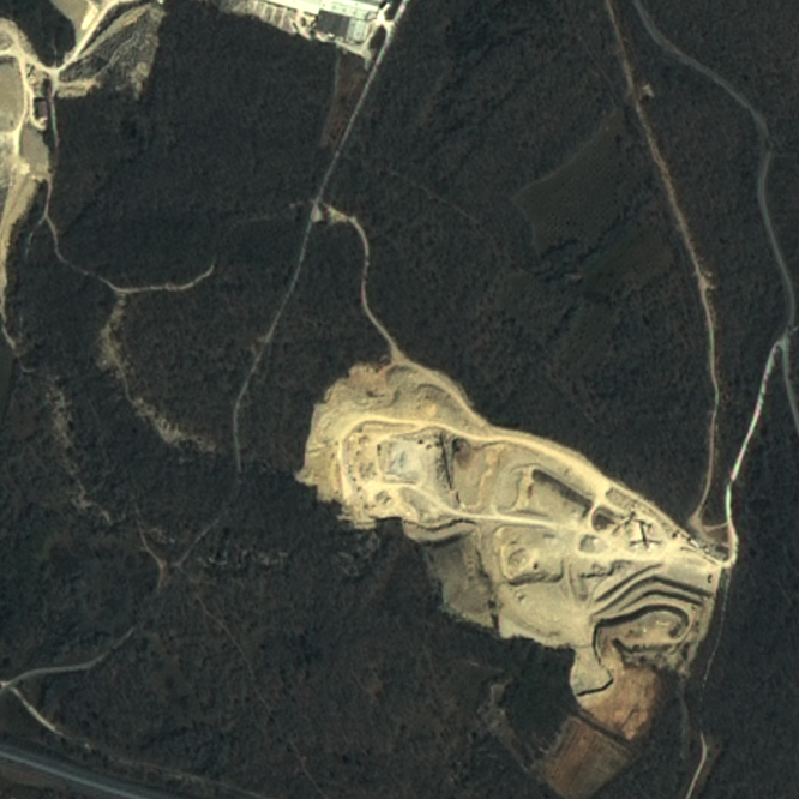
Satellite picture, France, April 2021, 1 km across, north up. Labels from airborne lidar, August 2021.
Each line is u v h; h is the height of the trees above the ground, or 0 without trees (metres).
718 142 13
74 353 11
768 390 6
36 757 0
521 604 0
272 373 9
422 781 6
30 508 9
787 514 12
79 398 16
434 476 0
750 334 8
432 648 12
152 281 7
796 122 11
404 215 9
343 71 0
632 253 0
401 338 12
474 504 0
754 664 15
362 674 13
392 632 14
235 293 11
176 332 7
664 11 11
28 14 13
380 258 10
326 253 12
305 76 11
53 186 9
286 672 12
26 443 9
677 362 8
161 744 12
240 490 10
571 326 13
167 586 10
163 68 8
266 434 14
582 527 0
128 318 8
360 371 0
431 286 10
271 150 15
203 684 10
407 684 14
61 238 9
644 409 11
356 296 13
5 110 0
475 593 0
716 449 11
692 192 13
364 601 9
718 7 7
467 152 8
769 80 9
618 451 13
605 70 11
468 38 7
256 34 11
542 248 0
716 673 11
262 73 13
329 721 13
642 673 0
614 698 0
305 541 6
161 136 11
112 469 12
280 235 14
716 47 7
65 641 7
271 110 12
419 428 0
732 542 0
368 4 0
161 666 0
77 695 12
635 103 0
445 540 0
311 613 8
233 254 13
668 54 10
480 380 13
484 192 15
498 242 13
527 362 10
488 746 13
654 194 11
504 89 11
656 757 10
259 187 12
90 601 10
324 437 0
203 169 12
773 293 8
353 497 0
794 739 12
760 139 18
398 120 12
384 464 0
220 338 9
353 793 12
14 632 16
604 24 11
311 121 12
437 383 0
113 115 17
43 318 14
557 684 17
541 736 12
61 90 0
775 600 15
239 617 9
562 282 14
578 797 0
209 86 14
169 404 9
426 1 8
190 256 15
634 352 14
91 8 0
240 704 7
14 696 0
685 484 13
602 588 0
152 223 15
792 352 10
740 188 12
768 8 11
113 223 10
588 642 0
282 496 14
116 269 7
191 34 8
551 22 7
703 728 15
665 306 10
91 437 11
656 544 0
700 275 0
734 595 8
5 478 9
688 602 0
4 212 0
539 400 9
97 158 14
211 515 11
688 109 14
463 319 13
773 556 13
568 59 5
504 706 11
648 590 0
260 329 12
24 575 17
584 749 0
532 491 0
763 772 11
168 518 10
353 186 11
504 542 0
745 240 12
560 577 0
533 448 0
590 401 8
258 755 9
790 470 10
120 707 17
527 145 9
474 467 0
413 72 8
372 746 14
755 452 6
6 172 0
